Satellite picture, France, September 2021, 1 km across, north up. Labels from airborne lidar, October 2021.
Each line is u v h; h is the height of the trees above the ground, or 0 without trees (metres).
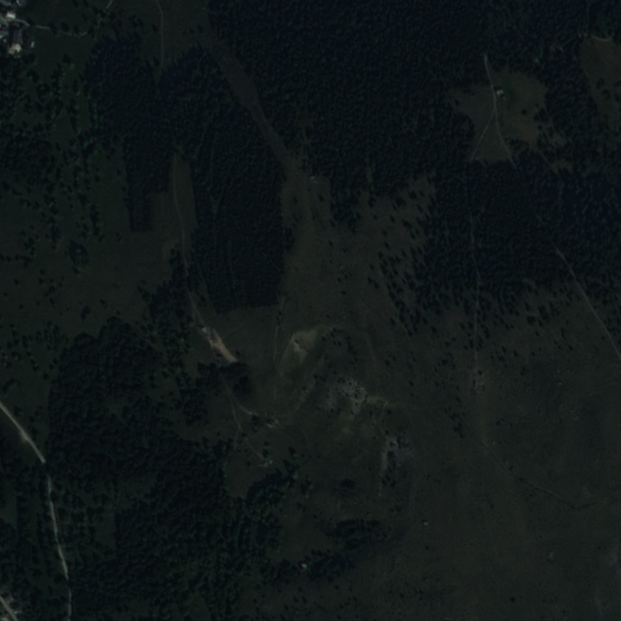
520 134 0
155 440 12
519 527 0
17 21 0
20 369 0
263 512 18
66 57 0
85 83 9
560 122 12
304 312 0
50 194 12
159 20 0
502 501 0
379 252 0
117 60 14
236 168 12
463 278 13
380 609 0
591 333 0
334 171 10
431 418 0
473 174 14
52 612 13
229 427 0
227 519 14
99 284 0
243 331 0
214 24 10
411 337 9
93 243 0
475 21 12
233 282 18
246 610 0
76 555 8
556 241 13
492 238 11
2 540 10
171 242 0
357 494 0
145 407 12
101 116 15
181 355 11
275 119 12
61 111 13
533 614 0
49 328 7
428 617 0
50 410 9
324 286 0
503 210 13
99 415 13
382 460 0
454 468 0
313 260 0
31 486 11
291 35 10
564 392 0
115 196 0
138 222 11
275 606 0
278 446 0
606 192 24
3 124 14
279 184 7
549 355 0
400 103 15
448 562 0
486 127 0
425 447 0
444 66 12
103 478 15
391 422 0
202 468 15
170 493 15
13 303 0
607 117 7
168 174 11
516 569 0
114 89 15
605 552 0
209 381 9
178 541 9
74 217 0
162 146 16
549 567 0
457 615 0
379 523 8
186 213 0
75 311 0
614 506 0
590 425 0
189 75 13
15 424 0
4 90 16
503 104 0
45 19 0
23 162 13
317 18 7
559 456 0
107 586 21
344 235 0
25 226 0
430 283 5
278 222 8
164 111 11
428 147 15
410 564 0
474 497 0
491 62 12
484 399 0
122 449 16
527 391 0
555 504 0
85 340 13
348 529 9
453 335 0
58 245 13
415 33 7
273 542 12
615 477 0
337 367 0
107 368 17
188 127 15
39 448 6
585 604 0
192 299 0
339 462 0
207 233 7
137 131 11
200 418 5
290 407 0
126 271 0
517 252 13
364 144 13
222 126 12
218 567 10
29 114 10
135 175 12
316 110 10
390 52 15
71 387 16
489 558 0
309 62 15
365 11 10
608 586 0
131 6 0
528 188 9
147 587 19
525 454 0
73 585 14
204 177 18
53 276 0
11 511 0
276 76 14
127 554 14
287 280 0
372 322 0
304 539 0
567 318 0
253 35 18
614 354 0
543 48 8
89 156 14
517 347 0
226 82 12
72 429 9
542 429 0
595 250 7
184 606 13
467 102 0
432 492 0
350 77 13
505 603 0
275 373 0
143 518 14
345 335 0
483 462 0
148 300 10
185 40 0
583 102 22
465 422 0
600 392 0
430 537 0
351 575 0
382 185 15
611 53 0
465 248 11
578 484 0
